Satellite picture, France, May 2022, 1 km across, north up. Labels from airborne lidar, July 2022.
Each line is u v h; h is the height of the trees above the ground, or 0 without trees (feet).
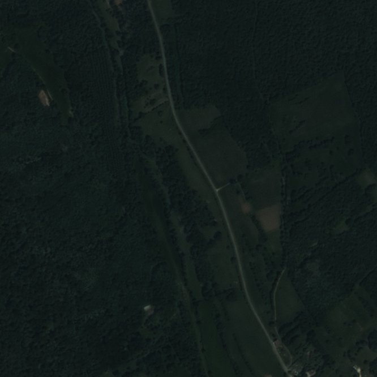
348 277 23
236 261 34
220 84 54
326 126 0
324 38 31
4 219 72
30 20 77
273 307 29
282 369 0
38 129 85
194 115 0
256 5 20
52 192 70
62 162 86
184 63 43
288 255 71
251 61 39
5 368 49
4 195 60
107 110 93
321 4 25
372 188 41
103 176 80
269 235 0
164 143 31
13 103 73
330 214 43
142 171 0
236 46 30
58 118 75
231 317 0
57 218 68
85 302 77
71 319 53
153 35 37
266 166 40
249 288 0
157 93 0
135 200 68
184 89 52
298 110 0
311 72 35
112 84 82
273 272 52
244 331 0
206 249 49
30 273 70
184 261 61
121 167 75
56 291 54
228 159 0
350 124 0
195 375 46
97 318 85
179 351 57
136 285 89
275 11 29
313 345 36
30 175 94
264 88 36
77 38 85
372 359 0
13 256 83
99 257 95
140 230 75
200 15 54
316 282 60
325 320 30
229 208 0
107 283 71
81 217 82
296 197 31
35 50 0
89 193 99
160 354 60
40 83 63
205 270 65
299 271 70
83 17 79
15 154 88
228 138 0
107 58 89
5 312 61
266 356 0
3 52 0
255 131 61
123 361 66
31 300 78
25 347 74
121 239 77
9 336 58
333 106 0
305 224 45
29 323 70
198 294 0
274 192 0
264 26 28
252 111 59
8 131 80
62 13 112
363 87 35
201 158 0
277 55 31
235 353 0
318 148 33
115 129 78
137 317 66
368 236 39
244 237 29
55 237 57
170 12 0
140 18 54
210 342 0
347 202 42
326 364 41
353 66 56
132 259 73
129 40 34
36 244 57
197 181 0
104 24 46
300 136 0
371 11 23
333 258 53
